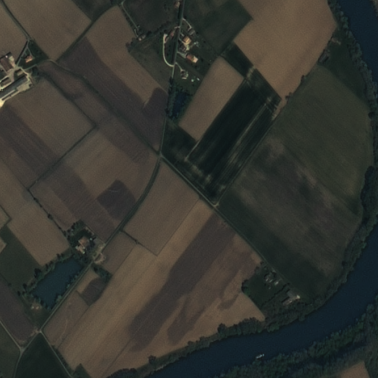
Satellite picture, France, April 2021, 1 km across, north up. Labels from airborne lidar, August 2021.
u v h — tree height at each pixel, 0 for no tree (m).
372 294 0
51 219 9
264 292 0
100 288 0
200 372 0
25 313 0
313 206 0
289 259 0
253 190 0
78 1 0
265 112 0
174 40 10
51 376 0
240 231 0
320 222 0
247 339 0
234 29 0
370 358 15
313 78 0
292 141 0
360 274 0
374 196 37
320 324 0
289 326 0
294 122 0
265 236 0
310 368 16
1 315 0
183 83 0
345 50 0
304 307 6
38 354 0
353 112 0
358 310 0
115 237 0
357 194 0
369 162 0
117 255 0
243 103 0
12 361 0
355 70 0
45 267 0
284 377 19
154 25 0
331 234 0
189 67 0
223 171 0
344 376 0
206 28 0
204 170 0
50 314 0
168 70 0
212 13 0
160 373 0
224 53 0
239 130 0
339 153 0
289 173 0
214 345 0
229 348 0
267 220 0
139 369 0
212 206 0
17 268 0
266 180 0
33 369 0
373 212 33
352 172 0
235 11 0
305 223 0
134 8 0
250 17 0
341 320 0
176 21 7
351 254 18
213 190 0
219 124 0
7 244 0
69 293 0
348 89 0
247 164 0
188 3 0
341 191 0
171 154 0
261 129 0
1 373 13
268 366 22
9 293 0
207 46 0
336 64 0
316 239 0
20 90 0
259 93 0
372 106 9
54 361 0
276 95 0
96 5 0
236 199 0
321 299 18
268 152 0
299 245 0
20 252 0
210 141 0
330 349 27
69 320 0
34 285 14
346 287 0
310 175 0
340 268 0
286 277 0
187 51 11
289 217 0
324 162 0
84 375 0
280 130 0
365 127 0
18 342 0
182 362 0
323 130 0
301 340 0
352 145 0
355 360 15
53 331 0
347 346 20
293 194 0
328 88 0
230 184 0
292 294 0
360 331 17
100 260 0
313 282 0
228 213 0
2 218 0
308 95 0
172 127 0
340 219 0
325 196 0
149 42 0
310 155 0
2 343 0
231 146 0
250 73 0
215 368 0
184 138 0
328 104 0
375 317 18
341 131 0
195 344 12
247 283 11
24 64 0
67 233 10
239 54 0
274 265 0
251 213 0
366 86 12
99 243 0
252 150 0
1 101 0
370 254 0
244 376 25
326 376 15
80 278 0
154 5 0
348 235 0
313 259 0
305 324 0
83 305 0
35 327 0
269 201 0
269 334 0
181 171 0
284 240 0
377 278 0
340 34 0
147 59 7
